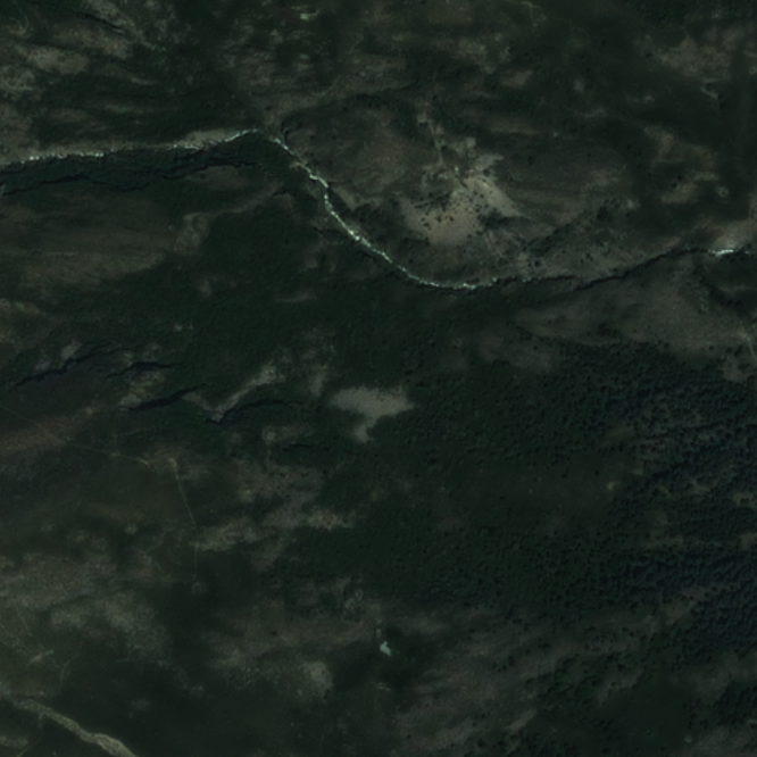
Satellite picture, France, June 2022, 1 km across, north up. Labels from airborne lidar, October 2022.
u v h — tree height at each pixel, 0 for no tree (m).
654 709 0
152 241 0
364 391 0
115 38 0
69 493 0
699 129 0
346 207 7
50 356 0
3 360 0
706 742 0
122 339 5
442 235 0
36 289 0
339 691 0
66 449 0
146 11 0
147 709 0
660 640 11
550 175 0
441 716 0
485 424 7
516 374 0
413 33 0
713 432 13
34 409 0
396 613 0
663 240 0
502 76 0
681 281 0
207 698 0
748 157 0
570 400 10
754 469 26
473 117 0
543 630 0
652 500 10
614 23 0
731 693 17
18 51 0
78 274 0
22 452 0
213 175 0
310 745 0
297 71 0
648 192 0
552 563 8
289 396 6
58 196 0
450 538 6
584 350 11
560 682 10
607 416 7
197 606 0
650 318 0
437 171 0
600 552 13
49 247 0
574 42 0
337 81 0
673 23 8
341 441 12
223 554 0
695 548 8
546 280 8
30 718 0
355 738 0
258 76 0
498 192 0
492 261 0
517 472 0
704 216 0
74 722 0
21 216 0
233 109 0
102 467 0
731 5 7
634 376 7
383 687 0
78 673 0
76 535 0
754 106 0
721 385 11
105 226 0
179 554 0
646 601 11
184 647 0
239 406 6
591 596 11
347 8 0
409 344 6
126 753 0
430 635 0
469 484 0
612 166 0
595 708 6
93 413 0
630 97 0
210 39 0
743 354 8
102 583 0
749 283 0
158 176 15
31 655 0
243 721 0
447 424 10
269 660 0
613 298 0
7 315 0
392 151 0
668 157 0
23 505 0
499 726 0
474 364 9
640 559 8
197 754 0
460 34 0
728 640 17
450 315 0
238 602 0
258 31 0
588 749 0
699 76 0
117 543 0
